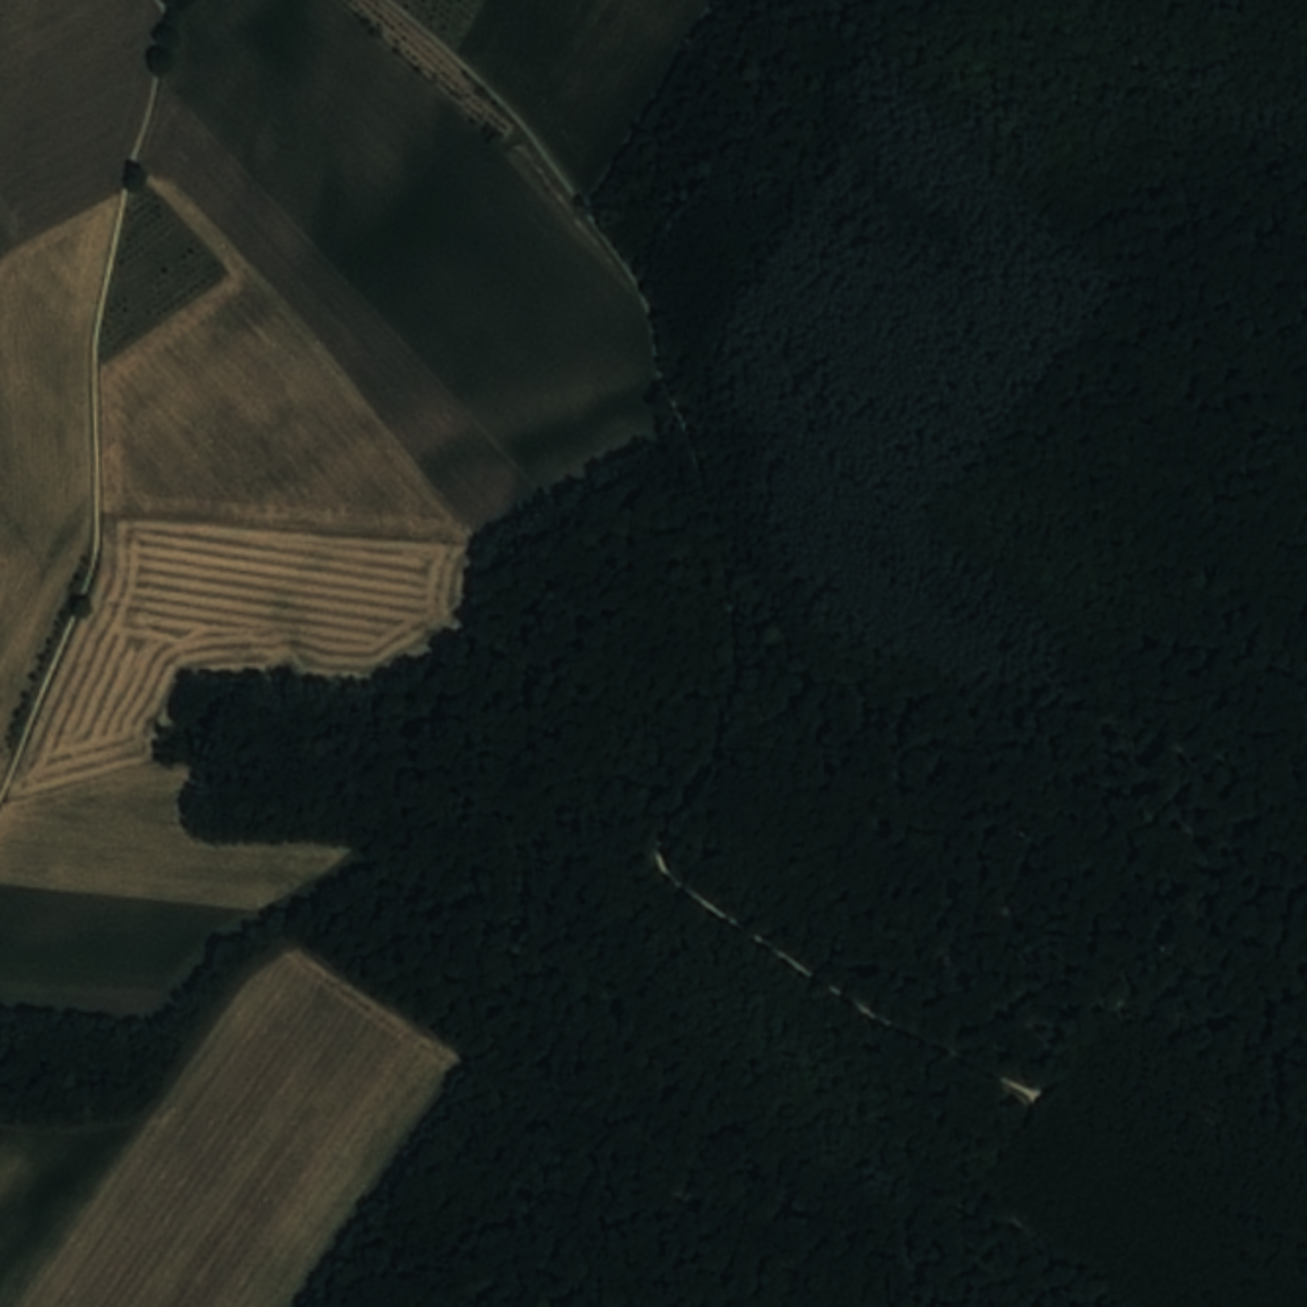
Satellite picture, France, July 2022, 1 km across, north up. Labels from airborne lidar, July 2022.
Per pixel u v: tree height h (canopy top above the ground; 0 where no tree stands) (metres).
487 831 32
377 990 21
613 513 29
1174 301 27
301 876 0
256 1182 0
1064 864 29
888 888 24
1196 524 29
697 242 19
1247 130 29
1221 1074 15
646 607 29
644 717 12
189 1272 0
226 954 20
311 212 0
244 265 0
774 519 17
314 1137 0
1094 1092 15
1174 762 32
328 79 0
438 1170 26
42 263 0
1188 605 25
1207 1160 16
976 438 18
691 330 21
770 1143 25
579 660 29
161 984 0
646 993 26
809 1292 25
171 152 0
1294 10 26
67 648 0
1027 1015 27
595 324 0
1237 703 26
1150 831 28
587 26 0
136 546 0
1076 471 26
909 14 27
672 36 0
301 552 0
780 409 17
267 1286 0
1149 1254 13
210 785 26
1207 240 26
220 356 0
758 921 24
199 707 21
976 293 21
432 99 0
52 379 0
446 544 0
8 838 0
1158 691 27
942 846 23
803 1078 20
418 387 0
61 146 0
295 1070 0
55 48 0
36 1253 0
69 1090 20
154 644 0
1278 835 23
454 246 0
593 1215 26
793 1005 24
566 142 0
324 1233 0
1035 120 17
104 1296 0
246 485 0
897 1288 26
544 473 0
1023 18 22
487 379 0
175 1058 8
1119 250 23
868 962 24
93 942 0
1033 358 22
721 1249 31
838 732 27
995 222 21
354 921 24
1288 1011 28
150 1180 0
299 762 26
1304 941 28
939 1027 27
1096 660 25
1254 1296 14
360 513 0
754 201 22
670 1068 19
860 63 19
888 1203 25
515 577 25
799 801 25
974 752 30
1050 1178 12
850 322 22
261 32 0
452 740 30
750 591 27
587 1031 28
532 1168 28
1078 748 27
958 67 17
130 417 0
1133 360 28
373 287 0
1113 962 28
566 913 26
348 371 0
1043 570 19
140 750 0
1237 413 29
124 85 0
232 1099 0
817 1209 29
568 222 0
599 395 0
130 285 0
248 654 0
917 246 17
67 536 0
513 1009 26
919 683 29
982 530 21
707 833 26
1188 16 24
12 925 0
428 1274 28
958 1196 27
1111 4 22
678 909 25
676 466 22
